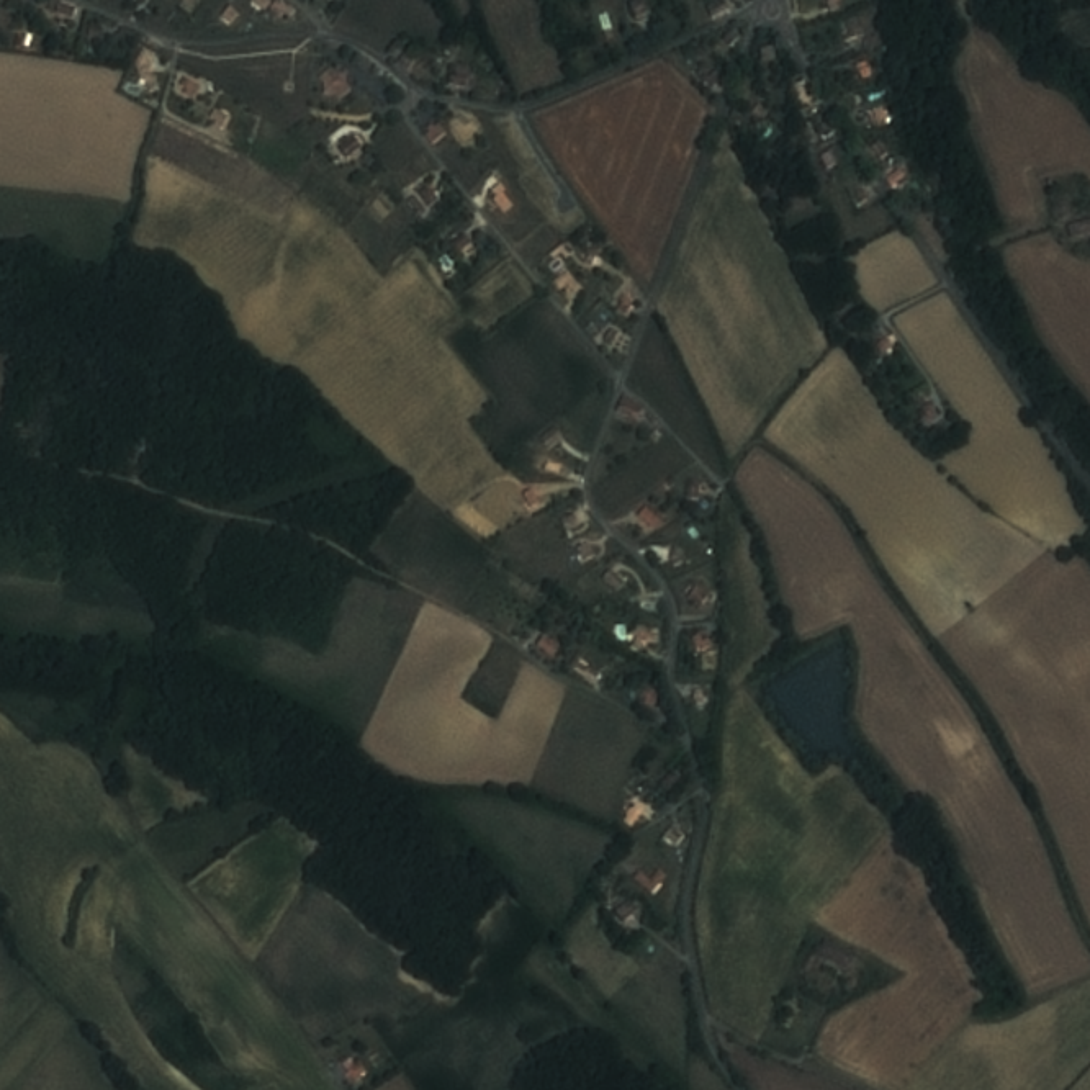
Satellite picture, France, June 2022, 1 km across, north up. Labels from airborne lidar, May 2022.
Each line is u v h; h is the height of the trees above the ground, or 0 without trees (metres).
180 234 0
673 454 0
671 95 0
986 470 0
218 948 0
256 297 0
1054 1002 0
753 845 0
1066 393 13
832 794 0
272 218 0
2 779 0
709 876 0
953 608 0
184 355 12
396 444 0
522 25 0
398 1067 9
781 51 9
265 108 0
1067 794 0
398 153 0
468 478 0
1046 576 0
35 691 7
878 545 0
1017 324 21
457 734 0
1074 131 0
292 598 14
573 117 0
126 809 0
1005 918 0
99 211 0
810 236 11
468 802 0
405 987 0
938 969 0
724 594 9
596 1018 0
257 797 10
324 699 0
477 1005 0
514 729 0
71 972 0
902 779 0
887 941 0
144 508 9
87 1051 0
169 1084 0
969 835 0
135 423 12
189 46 0
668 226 0
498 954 0
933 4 8
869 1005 0
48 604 0
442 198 6
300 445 10
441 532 0
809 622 0
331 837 11
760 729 0
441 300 0
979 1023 0
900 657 0
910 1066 0
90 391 16
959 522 0
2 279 10
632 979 0
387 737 0
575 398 0
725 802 0
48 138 0
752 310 0
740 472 0
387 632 0
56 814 0
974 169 7
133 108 0
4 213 0
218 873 0
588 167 0
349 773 20
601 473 0
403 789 15
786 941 0
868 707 0
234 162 0
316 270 0
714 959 0
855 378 0
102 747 8
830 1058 0
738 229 0
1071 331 0
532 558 0
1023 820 0
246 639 0
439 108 8
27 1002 0
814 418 0
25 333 14
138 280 17
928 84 31
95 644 29
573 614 5
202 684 17
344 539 11
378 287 0
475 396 0
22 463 14
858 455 0
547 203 0
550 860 0
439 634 0
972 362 0
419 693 0
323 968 0
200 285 8
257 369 11
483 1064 0
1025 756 0
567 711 0
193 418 13
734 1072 10
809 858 0
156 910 0
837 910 0
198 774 13
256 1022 0
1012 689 0
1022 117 0
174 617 16
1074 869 0
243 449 18
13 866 0
